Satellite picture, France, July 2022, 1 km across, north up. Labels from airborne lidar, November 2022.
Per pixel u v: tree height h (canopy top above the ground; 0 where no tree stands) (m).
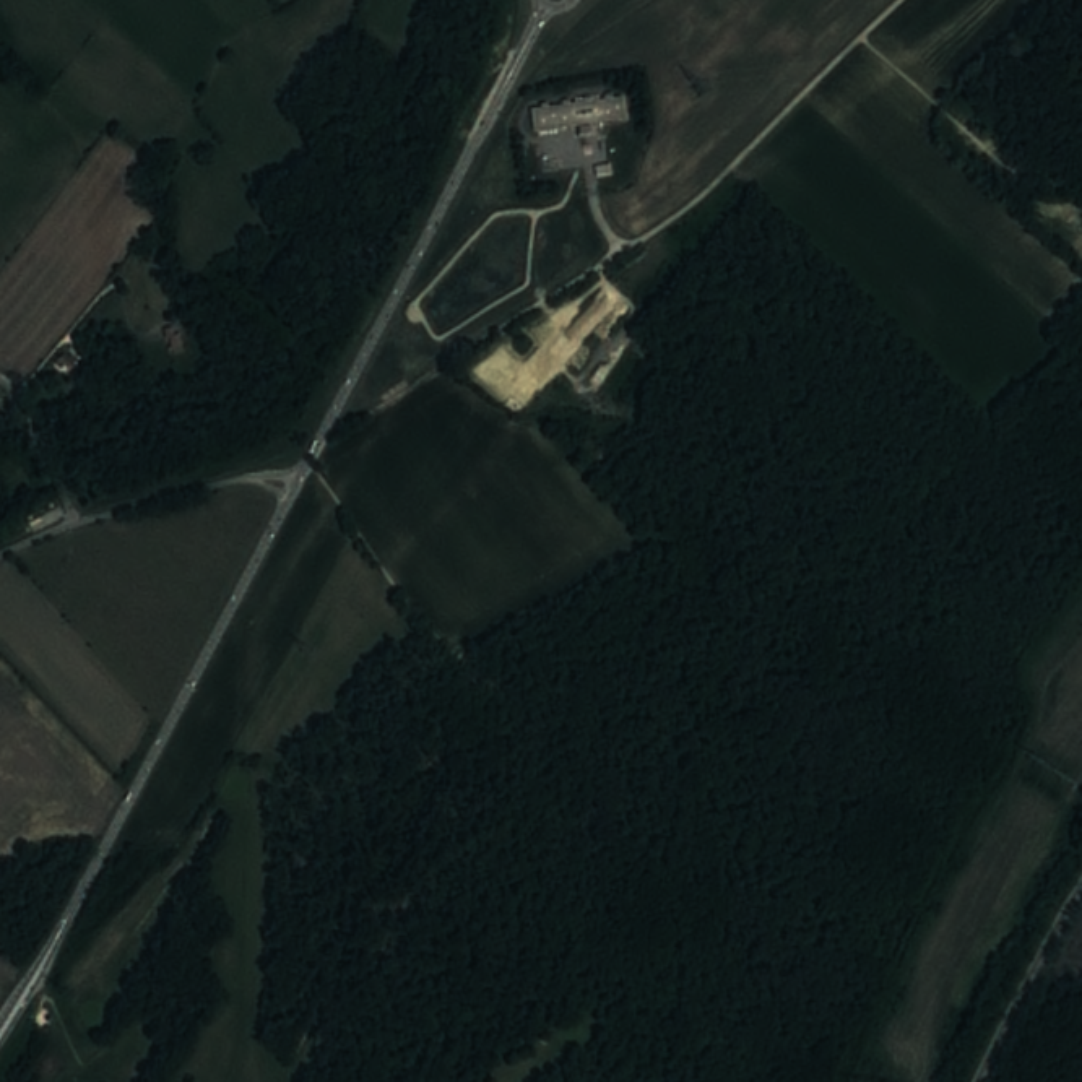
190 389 26
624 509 18
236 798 0
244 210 0
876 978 18
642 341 18
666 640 22
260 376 14
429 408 0
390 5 0
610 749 22
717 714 18
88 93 0
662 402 25
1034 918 20
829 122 0
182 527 0
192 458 27
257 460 0
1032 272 0
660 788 20
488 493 0
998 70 17
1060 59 20
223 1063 0
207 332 21
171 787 0
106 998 0
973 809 7
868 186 0
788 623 12
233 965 0
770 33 0
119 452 28
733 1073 22
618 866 23
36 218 0
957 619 22
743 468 8
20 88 15
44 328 0
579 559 0
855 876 19
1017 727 18
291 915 20
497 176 0
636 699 20
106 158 0
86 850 26
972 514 24
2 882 22
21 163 0
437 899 30
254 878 0
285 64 0
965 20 0
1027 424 22
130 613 0
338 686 0
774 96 0
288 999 20
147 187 24
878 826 26
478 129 0
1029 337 0
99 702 0
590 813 26
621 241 0
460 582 0
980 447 22
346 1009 24
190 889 24
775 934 23
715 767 23
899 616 21
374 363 0
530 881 22
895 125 0
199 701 0
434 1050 25
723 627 11
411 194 25
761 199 23
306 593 0
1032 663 0
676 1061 17
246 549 0
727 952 25
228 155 0
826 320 23
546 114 0
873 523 21
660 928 28
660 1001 20
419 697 10
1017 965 18
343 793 16
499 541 0
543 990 22
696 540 12
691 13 0
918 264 0
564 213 0
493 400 6
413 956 26
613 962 26
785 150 0
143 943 0
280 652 0
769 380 25
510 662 22
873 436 22
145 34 0
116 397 24
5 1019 0
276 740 0
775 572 23
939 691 23
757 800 20
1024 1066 26
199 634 0
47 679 0
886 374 24
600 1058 7
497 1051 21
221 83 0
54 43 0
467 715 19
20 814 0
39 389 12
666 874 26
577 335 0
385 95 25
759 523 21
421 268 0
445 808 23
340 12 0
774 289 24
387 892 23
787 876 24
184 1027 18
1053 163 22
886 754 20
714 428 25
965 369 0
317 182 27
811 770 21
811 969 25
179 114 0
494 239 0
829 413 24
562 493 0
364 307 19
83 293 0
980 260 0
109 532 0
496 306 0
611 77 14
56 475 21
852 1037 11
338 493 0
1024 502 19
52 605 0
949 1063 16
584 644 21
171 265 21
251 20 0
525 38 0
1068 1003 26
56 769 0
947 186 0
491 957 22
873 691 21
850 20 0
